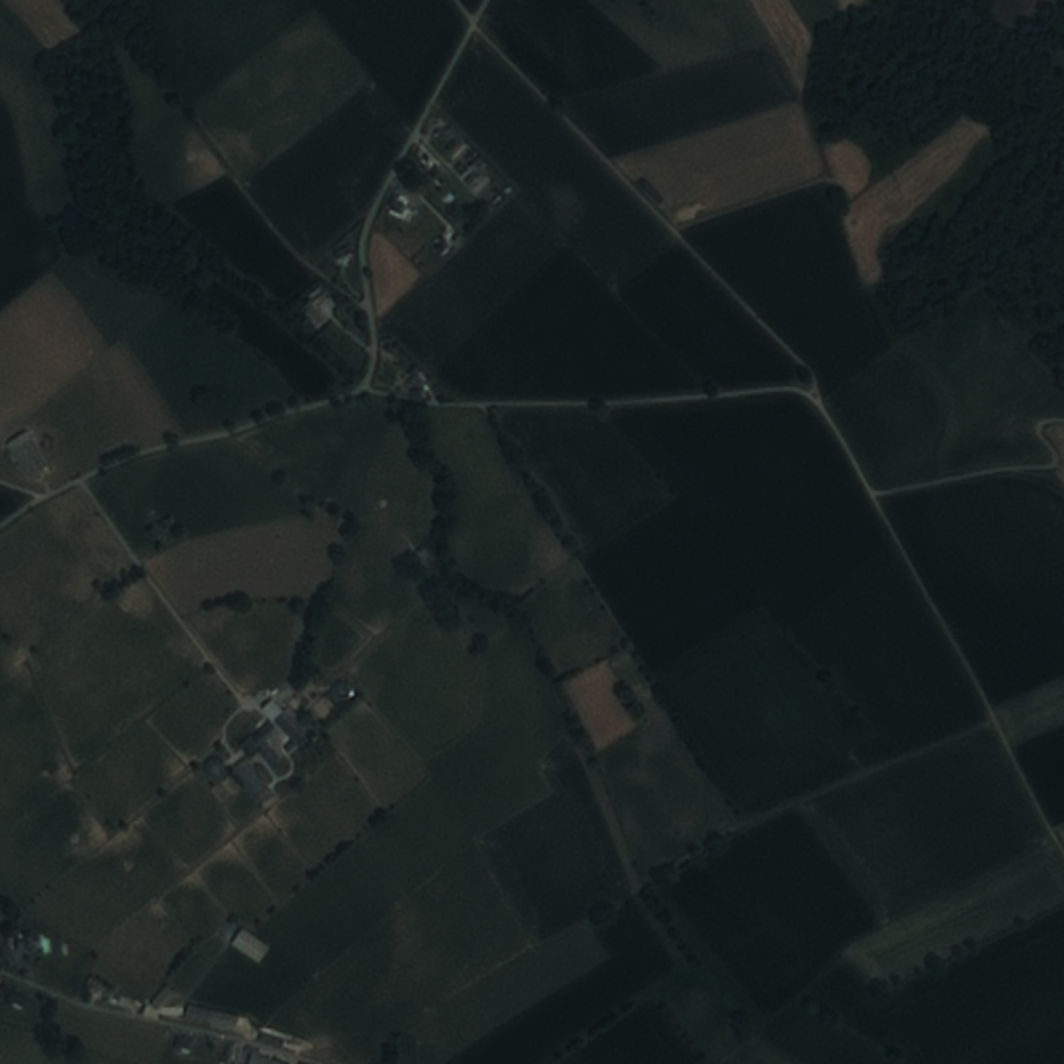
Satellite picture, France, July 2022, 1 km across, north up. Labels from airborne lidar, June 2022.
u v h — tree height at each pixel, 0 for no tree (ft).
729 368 0
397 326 0
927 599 0
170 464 0
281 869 0
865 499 0
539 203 0
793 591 0
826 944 0
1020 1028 0
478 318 0
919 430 0
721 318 0
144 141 0
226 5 0
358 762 0
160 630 0
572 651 0
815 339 0
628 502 0
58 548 0
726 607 0
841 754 0
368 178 0
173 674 0
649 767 0
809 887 0
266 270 0
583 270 0
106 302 0
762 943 0
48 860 0
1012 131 55
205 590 0
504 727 0
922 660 0
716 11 0
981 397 0
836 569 0
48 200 0
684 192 0
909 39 59
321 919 0
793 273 0
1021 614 0
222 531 0
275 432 0
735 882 0
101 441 0
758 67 0
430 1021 0
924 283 51
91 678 0
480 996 0
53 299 0
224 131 0
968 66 49
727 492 0
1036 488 0
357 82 0
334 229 0
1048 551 0
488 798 0
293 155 0
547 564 0
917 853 0
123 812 0
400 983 0
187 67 0
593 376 0
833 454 0
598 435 0
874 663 0
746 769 0
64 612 0
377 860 0
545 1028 0
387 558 0
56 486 0
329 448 0
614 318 0
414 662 0
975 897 0
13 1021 0
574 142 0
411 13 0
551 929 0
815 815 0
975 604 0
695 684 0
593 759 28
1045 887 0
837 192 59
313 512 49
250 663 0
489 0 0
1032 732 0
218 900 0
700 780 0
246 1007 0
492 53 0
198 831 0
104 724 0
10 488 0
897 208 0
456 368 0
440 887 0
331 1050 0
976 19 62
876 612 0
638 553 0
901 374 0
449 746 0
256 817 0
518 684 0
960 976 0
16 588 0
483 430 0
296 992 0
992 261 51
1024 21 60
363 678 0
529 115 0
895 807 0
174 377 0
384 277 0
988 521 0
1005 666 0
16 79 0
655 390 0
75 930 0
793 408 0
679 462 0
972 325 0
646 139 0
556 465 0
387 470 0
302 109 0
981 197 62
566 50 0
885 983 48
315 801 0
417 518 0
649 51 0
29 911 0
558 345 0
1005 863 0
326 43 0
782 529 0
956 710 0
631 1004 19
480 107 0
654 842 0
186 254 82
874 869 0
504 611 69
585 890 0
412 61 0
